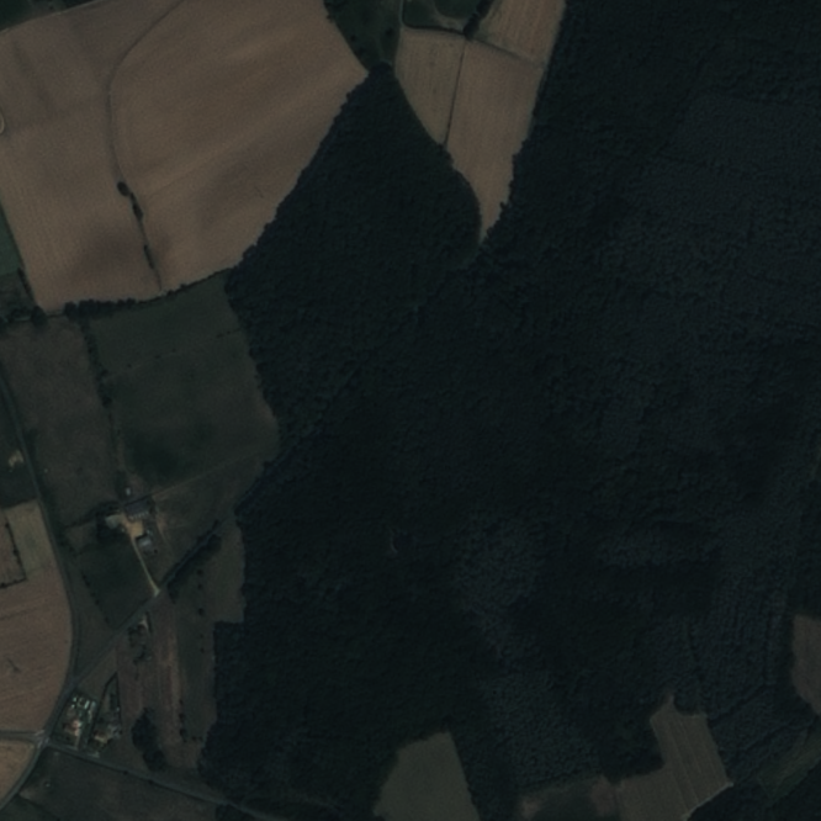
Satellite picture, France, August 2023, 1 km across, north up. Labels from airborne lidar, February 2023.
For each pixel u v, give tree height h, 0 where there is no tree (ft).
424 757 0
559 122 44
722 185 50
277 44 0
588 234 64
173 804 0
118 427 0
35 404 0
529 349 87
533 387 64
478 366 65
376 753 55
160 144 0
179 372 0
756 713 44
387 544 65
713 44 64
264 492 70
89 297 0
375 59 0
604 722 67
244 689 66
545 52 0
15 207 0
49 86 0
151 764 48
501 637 52
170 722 0
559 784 57
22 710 0
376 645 66
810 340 33
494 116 0
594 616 61
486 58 0
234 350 0
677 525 74
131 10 0
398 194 74
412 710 73
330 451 86
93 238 0
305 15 0
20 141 0
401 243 73
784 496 49
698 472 43
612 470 51
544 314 72
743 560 63
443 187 65
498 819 63
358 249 84
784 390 65
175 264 0
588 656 56
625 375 73
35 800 0
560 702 60
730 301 57
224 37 0
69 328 0
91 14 0
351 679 64
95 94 0
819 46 76
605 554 64
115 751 0
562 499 73
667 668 50
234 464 0
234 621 0
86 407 0
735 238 56
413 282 63
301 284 61
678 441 56
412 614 61
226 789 56
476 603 53
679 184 50
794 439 57
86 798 0
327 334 79
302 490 76
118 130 0
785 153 52
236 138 0
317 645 65
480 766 64
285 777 73
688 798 0
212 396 0
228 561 0
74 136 0
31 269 0
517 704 62
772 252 58
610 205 75
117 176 0
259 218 0
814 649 0
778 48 56
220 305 0
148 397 0
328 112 0
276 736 66
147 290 0
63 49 0
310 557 58
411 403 68
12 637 0
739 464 68
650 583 62
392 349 75
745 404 53
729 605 51
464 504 56
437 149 48
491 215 0
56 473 0
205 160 0
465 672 72
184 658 0
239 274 50
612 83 78
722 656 49
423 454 63
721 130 57
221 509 0
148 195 0
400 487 69
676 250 65
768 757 45
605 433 72
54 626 0
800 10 67
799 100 58
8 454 0
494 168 0
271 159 0
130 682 0
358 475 66
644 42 74
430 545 63
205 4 0
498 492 58
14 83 0
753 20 58
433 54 0
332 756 57
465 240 74
